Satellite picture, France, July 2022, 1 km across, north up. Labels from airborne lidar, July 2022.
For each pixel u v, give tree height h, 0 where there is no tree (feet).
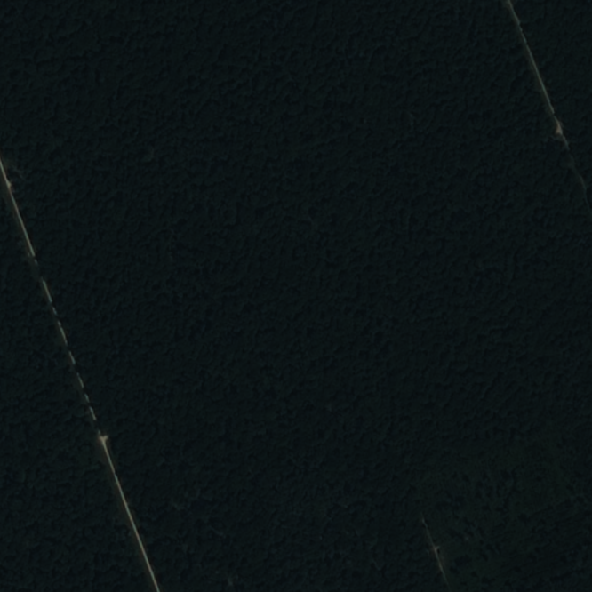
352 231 102
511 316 72
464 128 85
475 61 75
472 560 73
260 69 72
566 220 92
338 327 94
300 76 93
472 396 71
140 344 84
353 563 90
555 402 81
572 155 42
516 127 80
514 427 30
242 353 83
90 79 89
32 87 65
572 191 76
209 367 92
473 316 81
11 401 73
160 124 47
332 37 78
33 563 73
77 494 72
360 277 82
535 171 79
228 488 73
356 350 80
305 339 82
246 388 85
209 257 82
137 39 72
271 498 76
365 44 75
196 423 77
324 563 87
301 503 80
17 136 85
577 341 64
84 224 88
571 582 59
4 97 71
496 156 77
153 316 76
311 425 85
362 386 90
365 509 76
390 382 84
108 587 91
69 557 92
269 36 84
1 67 90
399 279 73
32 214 68
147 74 80
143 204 72
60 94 90
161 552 88
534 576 20
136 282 86
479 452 88
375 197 88
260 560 65
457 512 68
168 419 86
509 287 70
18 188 71
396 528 91
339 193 78
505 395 72
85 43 77
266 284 93
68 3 85
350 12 87
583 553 68
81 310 86
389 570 79
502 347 75
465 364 75
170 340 93
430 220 86
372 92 84
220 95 83
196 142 84
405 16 69
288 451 86
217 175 91
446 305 84
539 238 82
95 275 70
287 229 80
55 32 88
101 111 81
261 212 85
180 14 73
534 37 59
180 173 86
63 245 80
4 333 92
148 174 86
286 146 80
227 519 92
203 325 75
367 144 76
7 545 84
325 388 89
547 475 25
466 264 34
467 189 86
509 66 94
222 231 83
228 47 94
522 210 83
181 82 92
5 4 101
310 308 91
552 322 89
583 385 78
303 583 75
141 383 77
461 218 85
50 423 82
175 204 81
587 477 26
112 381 82
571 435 24
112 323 86
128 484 90
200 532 83
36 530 84
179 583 96
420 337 69
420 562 83
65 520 79
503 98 75
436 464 69
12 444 83
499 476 20
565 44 79
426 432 64
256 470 80
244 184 81
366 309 86
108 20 93
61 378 92
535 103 57
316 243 81
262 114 77
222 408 83
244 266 85
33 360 80
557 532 21
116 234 78
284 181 82
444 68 81
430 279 77
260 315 83
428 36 79
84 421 87
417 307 83
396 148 67
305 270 83
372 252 96
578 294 70
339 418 83
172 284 74
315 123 81
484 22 79
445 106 63
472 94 78
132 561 79
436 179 74
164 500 66
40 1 101
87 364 79
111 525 93
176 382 85
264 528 74
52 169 56
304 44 88
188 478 88
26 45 85
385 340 59
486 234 74
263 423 92
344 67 87
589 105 85
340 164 72
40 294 83
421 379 73
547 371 56
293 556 75
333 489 74
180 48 86
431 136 85
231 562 89
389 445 78
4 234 85
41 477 85
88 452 89
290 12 82
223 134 31
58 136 91
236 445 88
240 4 88
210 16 79
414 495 68
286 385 89
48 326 77
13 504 92
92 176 92
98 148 80
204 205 93
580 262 74
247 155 83
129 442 80
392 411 69
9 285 83
